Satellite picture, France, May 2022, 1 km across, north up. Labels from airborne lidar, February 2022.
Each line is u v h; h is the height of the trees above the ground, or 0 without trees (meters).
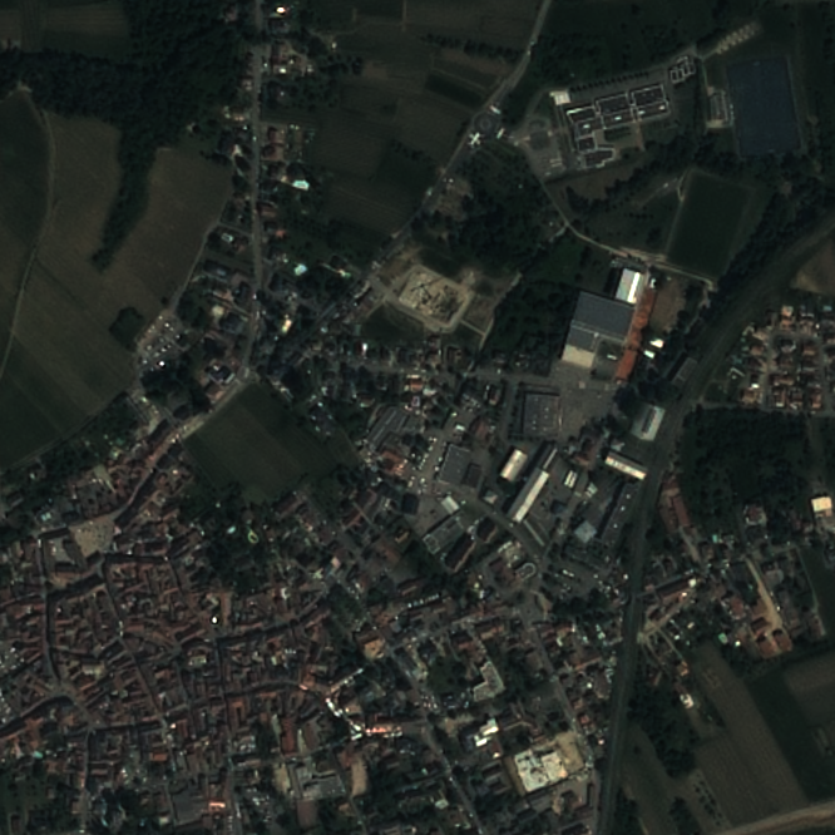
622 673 0
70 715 0
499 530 0
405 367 0
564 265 0
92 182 0
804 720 0
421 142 0
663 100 0
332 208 0
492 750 0
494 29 0
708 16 0
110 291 0
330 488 0
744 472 0
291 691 0
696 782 0
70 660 0
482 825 0
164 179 0
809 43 0
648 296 0
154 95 21
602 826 0
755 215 0
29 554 0
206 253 0
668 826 0
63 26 0
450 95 0
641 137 0
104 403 0
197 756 0
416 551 11
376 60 0
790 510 12
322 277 15
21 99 0
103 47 0
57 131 0
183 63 17
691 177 0
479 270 0
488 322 0
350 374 0
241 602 0
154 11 9
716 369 0
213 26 20
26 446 0
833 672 0
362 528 0
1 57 15
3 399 0
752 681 0
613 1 0
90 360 0
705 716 0
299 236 0
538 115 0
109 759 0
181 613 0
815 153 10
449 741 15
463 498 0
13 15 0
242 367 0
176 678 0
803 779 0
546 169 0
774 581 0
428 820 6
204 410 16
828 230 0
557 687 0
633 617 0
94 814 0
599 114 0
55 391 0
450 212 0
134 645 0
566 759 0
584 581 0
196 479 5
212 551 15
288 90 8
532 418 0
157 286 0
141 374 0
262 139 0
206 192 0
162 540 0
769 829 0
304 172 21
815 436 0
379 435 0
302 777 0
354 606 14
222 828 0
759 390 0
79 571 0
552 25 0
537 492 0
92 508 0
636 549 0
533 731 0
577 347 0
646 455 0
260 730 17
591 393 0
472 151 0
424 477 0
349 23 0
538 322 9
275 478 0
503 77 0
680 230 0
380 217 0
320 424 0
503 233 18
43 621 0
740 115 0
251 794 0
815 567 0
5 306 0
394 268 0
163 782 0
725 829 0
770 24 0
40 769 13
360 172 0
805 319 0
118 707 0
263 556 9
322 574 0
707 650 0
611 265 0
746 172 11
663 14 0
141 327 0
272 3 15
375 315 0
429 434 0
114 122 12
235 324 0
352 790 0
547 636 0
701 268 0
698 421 12
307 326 17
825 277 0
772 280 0
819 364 0
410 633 0
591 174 0
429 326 0
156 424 0
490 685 0
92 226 0
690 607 0
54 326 0
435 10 0
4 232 0
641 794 0
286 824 17
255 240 0
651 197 0
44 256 0
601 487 0
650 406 0
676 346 13
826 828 0
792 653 0
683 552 0
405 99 0
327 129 0
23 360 0
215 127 9
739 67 0
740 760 0
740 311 0
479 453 0
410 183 0
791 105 0
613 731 0
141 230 0
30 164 0
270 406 0
